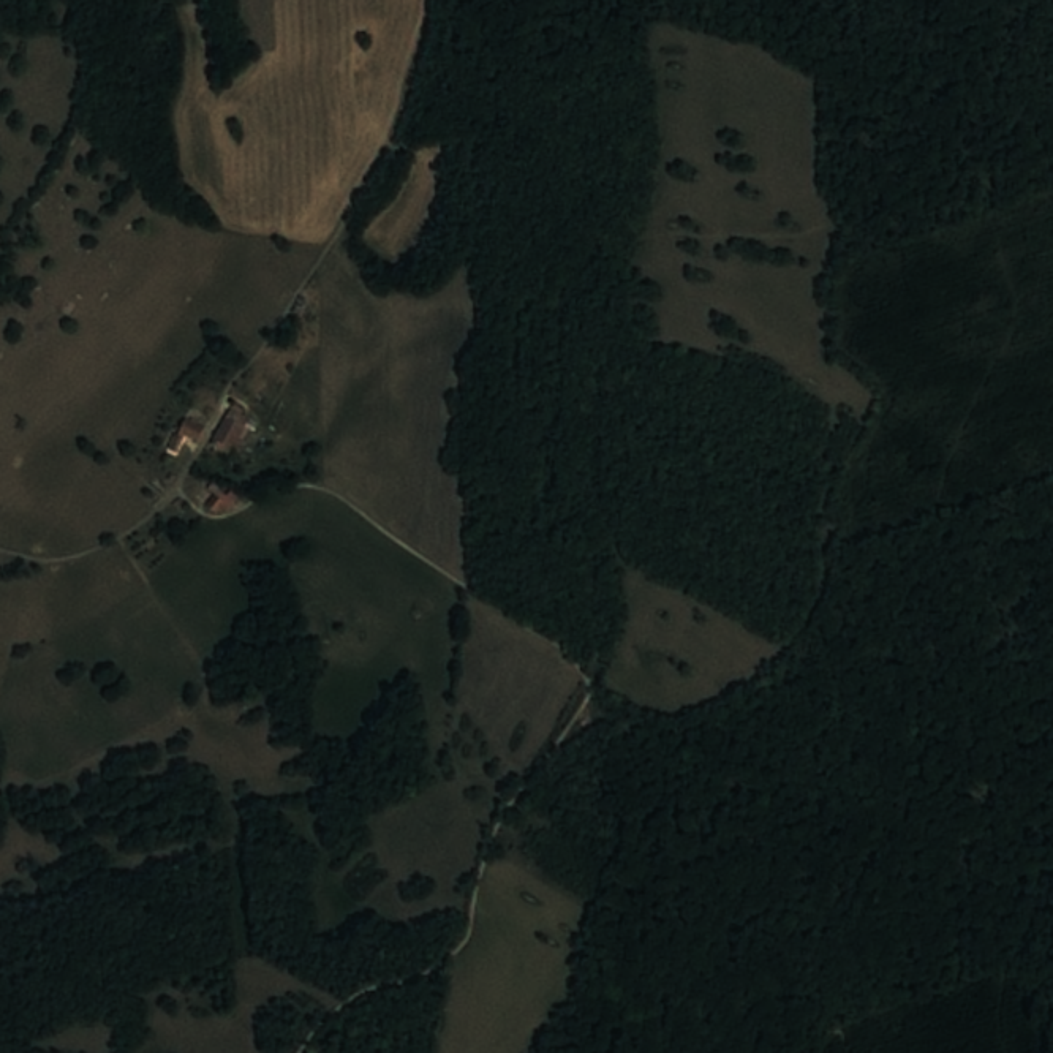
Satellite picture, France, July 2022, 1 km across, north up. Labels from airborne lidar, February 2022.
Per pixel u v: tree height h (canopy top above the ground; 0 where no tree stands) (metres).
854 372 17
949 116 21
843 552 16
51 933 21
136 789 13
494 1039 0
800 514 19
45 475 0
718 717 18
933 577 20
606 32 18
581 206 16
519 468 18
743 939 26
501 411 17
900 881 23
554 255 16
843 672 19
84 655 0
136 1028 19
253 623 16
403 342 0
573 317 15
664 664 0
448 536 0
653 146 13
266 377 0
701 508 14
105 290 0
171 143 12
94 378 0
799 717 19
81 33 16
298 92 0
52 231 0
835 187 16
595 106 15
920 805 23
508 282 18
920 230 24
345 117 0
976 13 22
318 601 0
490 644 0
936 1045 6
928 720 25
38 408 0
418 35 0
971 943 34
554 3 18
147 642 0
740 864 22
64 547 0
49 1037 16
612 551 13
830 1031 18
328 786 11
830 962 23
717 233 0
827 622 21
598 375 9
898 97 19
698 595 15
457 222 19
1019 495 17
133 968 18
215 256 0
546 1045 22
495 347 17
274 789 0
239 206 0
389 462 0
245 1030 0
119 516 0
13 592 0
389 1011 17
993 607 20
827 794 22
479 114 21
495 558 17
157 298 0
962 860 24
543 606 18
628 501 20
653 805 22
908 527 18
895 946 26
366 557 0
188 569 0
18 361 0
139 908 25
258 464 0
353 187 0
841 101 19
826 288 16
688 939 25
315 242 0
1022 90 17
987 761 26
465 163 21
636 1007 24
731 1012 25
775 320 0
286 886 17
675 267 0
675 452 15
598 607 17
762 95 0
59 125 0
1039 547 22
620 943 21
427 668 0
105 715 0
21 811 12
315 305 0
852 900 21
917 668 21
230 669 17
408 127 9
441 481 0
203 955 16
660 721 20
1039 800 21
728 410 10
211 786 11
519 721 0
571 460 18
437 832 0
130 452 15
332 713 0
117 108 18
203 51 0
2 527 0
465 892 12
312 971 19
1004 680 21
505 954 0
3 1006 19
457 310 0
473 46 19
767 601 17
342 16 0
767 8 19
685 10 16
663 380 13
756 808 23
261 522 0
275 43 0
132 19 24
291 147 0
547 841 7
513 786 17
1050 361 6
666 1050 22
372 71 0
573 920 0
